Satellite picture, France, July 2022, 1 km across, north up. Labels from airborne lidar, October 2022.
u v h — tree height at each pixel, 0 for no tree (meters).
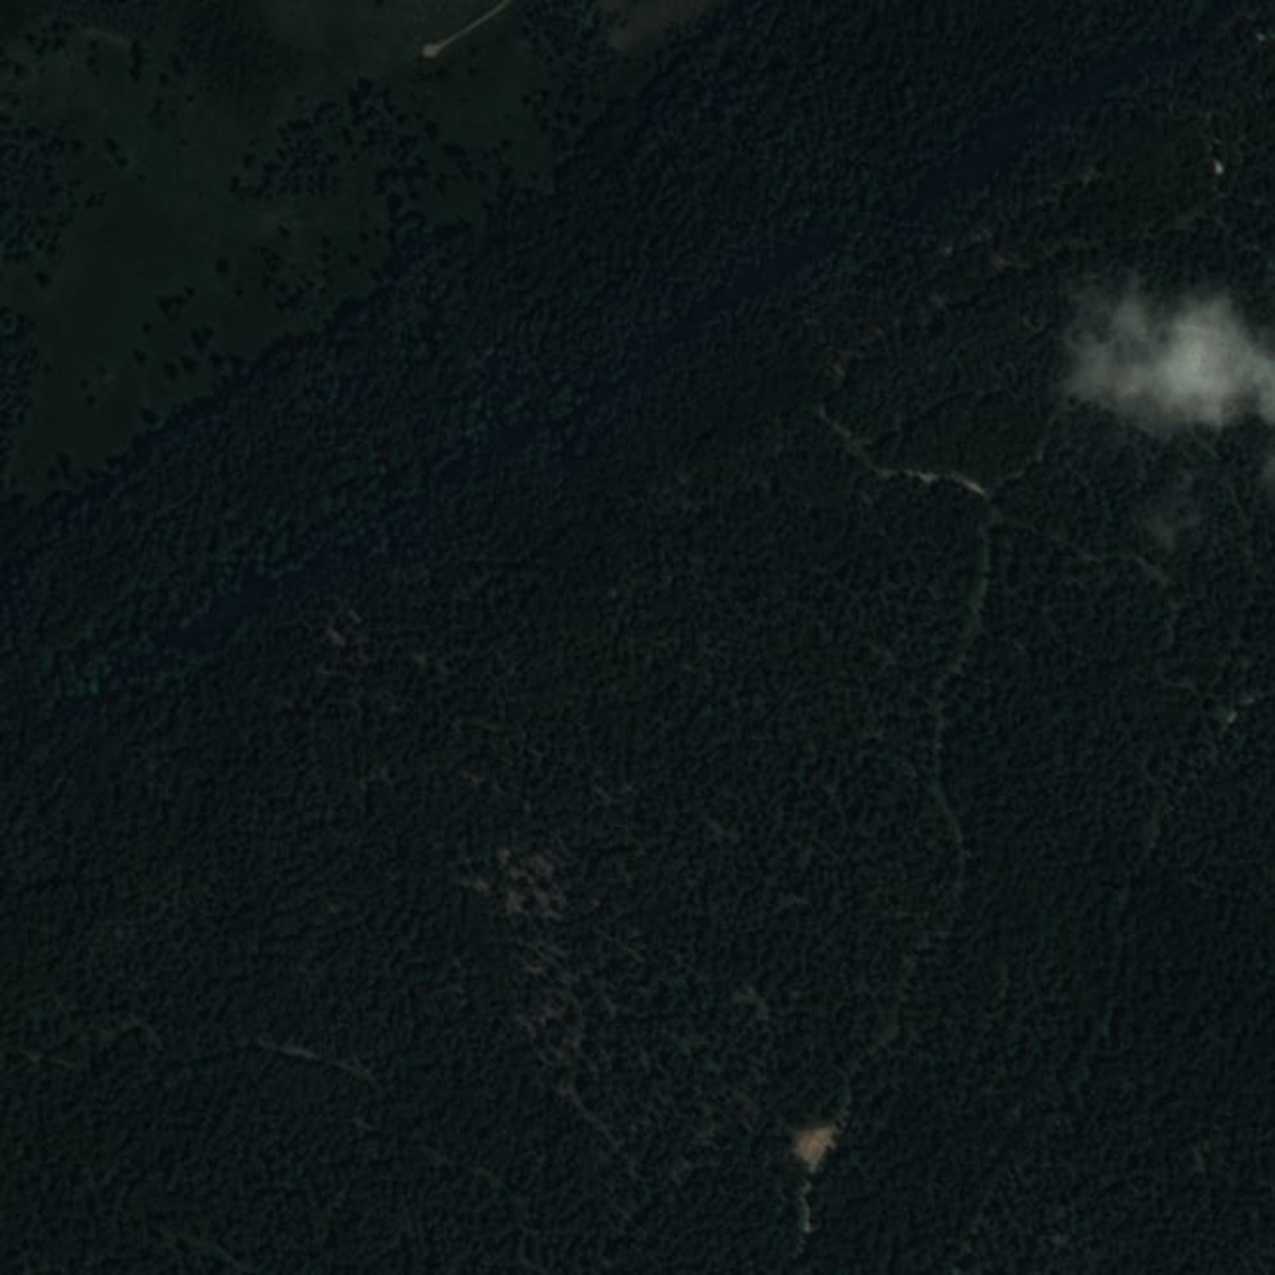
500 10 0
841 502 18
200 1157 18
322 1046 18
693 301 24
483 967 18
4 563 14
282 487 28
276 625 22
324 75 0
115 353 0
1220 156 17
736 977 22
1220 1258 15
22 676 27
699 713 23
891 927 12
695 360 20
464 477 19
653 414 18
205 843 17
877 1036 14
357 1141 21
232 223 0
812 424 16
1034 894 12
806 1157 0
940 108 18
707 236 25
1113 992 14
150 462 36
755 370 16
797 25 23
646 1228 26
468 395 20
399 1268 27
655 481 16
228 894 21
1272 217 15
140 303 0
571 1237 16
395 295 21
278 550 27
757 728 16
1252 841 7
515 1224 20
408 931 24
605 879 19
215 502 26
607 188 22
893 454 16
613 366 24
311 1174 24
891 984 21
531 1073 21
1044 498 14
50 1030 25
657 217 21
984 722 11
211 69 6
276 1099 24
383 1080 17
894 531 15
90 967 15
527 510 22
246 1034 17
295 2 0
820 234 22
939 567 21
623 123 17
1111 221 13
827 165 18
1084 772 14
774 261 24
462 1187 14
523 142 0
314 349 26
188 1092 19
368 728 17
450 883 20
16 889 19
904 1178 17
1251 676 7
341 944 16
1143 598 12
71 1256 6
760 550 20
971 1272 24
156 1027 23
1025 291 14
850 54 21
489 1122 17
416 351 29
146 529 32
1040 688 19
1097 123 21
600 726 15
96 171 0
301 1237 16
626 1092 28
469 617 18
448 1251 30
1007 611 18
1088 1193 18
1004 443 12
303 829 15
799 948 16
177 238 0
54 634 30
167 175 0
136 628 12
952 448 10
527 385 32
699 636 18
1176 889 22
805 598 14
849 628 23
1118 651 18
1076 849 15
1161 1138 21
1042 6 21
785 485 15
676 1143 25
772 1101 19
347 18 0
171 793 15
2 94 17
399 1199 31
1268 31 19
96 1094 18
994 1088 14
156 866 15
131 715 18
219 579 30
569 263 25
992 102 16
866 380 17
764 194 23
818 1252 19
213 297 0
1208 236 14
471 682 18
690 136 31
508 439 12
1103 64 13
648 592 13
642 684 12
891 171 21
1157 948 14
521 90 0
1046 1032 16
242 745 20
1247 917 11
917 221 12
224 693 21
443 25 0
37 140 23
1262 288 16
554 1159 30
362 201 0
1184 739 15
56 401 0
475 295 25
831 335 17
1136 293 13
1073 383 8
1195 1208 20
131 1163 14
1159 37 28
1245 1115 15
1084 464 14
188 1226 14
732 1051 18
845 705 20
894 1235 12
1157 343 15
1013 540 16
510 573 17
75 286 0
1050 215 15
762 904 14
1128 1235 19
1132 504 13
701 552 15
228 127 0
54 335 0
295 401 24
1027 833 22
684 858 17
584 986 13
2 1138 19
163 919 18
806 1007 13
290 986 20
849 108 25
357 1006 19
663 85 16
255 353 0
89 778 18
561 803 16
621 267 19
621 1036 25
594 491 21
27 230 15
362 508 25
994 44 22
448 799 16
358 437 27
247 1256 20
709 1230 21
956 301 22
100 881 11
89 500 15
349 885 19
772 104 26
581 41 7
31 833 18
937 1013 12
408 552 32
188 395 0
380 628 19
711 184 26
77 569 30
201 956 15
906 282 17
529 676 15
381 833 20
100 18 24
